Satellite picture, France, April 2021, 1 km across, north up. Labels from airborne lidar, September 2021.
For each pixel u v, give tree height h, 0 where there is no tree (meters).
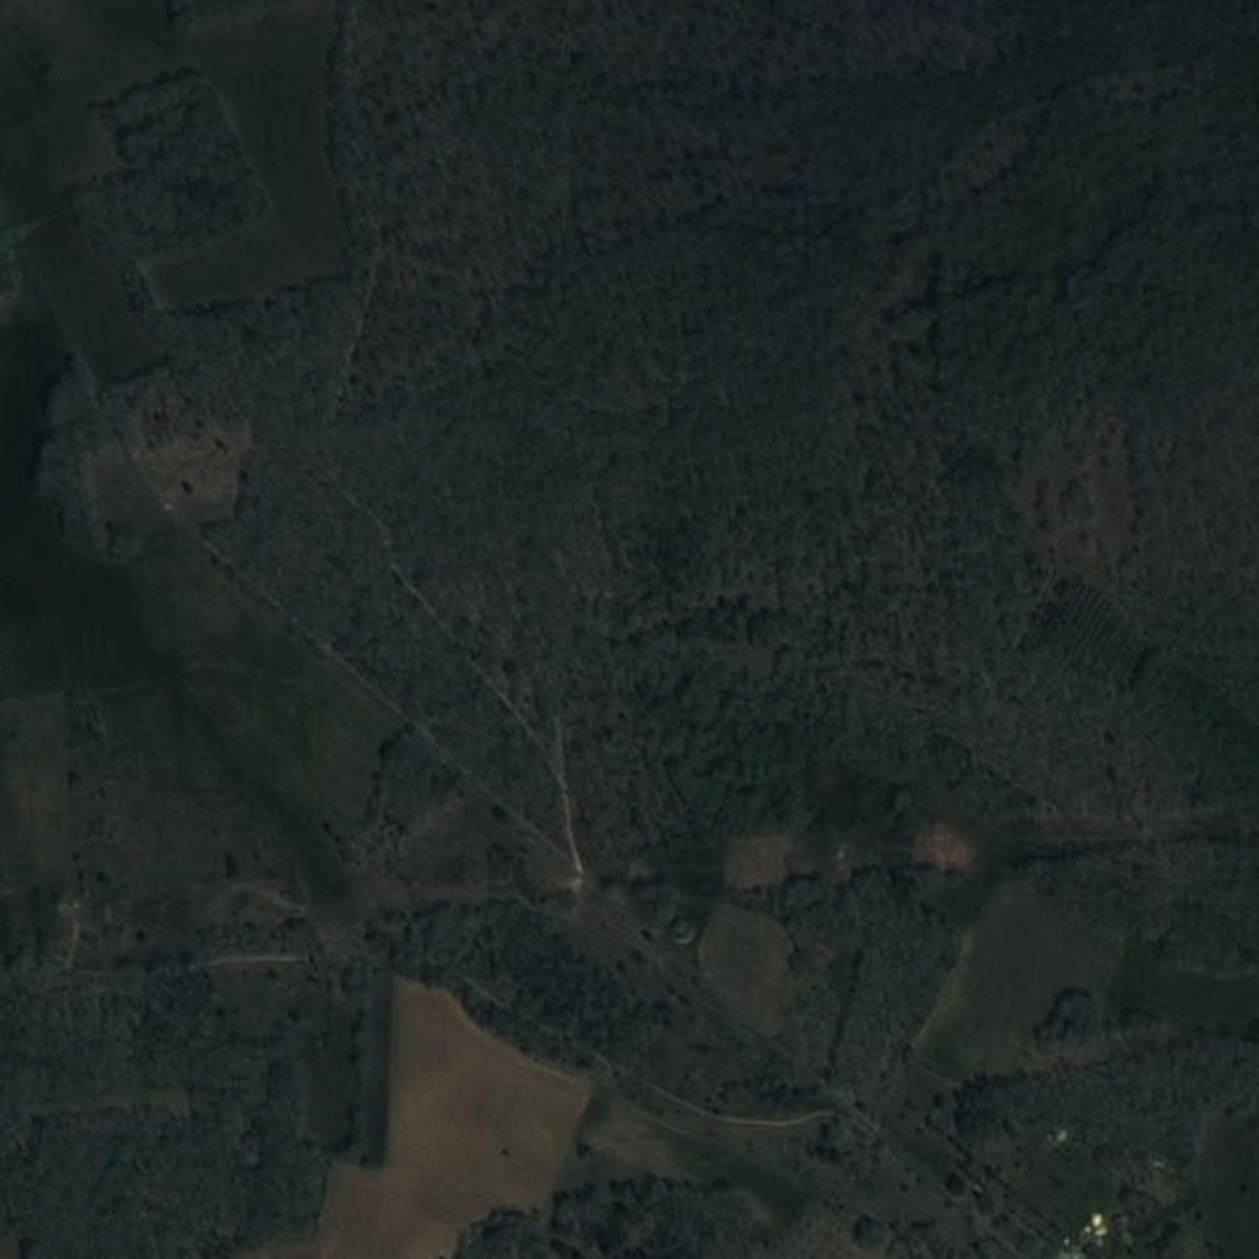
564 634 20
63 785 0
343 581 10
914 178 12
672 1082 0
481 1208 0
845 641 10
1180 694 18
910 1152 0
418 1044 0
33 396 0
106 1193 20
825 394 21
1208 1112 16
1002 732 14
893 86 13
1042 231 18
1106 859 14
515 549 15
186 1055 19
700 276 21
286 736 0
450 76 15
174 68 0
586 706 19
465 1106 0
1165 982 0
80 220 17
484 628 11
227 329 19
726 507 16
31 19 0
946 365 22
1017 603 17
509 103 20
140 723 0
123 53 0
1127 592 15
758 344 17
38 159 0
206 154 25
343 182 16
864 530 16
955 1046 0
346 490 14
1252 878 14
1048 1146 0
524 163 21
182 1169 22
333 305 18
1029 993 0
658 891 14
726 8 19
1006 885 0
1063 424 16
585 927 0
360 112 21
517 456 17
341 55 14
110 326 0
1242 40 19
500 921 13
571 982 13
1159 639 21
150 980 19
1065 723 11
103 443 17
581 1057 9
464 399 18
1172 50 9
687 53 21
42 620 0
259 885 0
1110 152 18
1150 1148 18
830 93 13
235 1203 14
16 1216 17
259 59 0
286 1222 23
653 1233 16
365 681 9
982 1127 16
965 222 18
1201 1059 22
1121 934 17
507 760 17
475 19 13
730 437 23
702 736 19
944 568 11
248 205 17
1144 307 21
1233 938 16
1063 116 18
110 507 0
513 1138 0
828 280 23
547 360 18
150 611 0
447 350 21
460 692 18
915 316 22
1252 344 18
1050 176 16
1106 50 12
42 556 0
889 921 23
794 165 21
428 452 19
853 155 12
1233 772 20
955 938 21
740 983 0
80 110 0
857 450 26
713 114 19
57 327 0
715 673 12
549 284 22
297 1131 20
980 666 14
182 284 0
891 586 16
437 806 20
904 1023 16
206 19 21
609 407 16
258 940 9
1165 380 15
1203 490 13
